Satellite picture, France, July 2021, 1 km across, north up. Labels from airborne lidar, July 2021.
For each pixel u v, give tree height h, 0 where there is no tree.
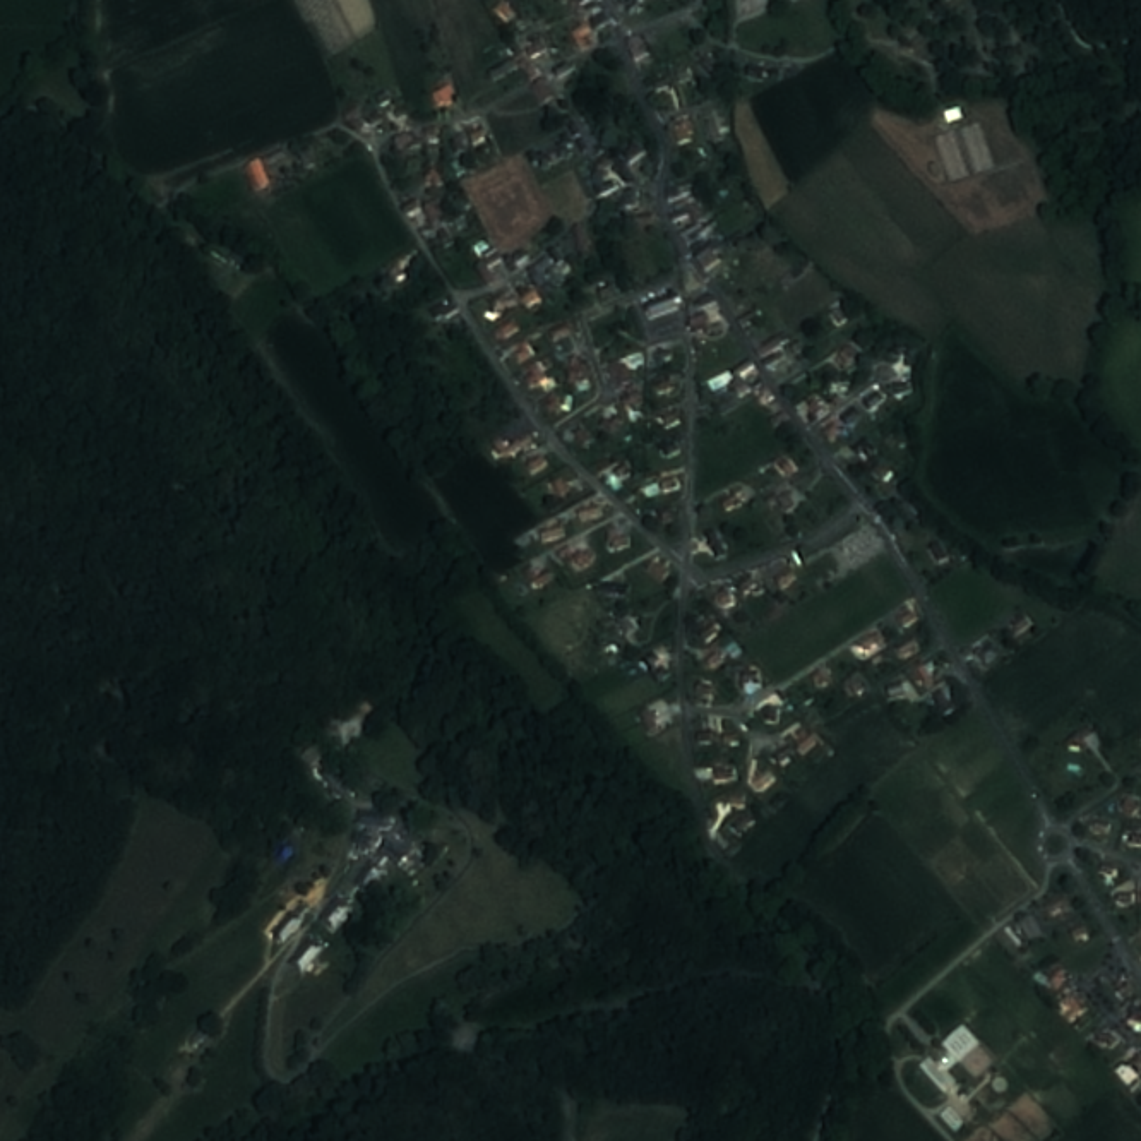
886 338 10
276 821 19
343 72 0
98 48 0
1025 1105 0
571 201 0
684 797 10
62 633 16
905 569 0
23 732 17
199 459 23
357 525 28
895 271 0
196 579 20
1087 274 0
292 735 19
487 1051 19
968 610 0
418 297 6
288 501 28
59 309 25
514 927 0
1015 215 0
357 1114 12
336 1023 0
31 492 23
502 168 0
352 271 0
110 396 17
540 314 5
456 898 0
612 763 20
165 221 23
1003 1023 0
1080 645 0
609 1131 0
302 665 25
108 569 17
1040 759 0
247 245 19
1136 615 15
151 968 12
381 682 22
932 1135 0
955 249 0
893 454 0
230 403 34
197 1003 0
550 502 13
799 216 0
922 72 14
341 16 0
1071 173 11
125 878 0
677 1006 24
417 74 0
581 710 14
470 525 0
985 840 0
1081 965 0
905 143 0
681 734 0
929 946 6
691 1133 9
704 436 0
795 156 0
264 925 0
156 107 0
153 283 24
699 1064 21
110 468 13
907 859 0
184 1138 0
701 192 13
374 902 16
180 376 22
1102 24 17
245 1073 0
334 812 14
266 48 0
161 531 19
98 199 33
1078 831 11
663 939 21
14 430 23
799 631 0
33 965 18
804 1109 18
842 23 20
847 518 0
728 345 0
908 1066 0
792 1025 16
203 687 20
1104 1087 0
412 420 23
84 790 22
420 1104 23
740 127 0
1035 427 0
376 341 22
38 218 22
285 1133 31
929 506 12
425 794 16
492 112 0
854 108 0
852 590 0
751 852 0
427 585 20
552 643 0
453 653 30
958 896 0
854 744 0
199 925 0
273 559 30
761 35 0
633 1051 29
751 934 9
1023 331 0
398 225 0
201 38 0
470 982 21
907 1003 0
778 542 0
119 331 19
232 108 0
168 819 0
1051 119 27
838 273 0
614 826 37
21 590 18
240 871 14
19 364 26
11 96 6
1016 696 0
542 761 36
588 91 13
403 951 0
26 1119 0
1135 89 15
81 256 21
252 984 0
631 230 15
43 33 0
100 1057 6
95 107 25
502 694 26
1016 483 0
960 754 0
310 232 0
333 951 0
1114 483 0
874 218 0
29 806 22
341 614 26
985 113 0
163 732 24
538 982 21
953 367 0
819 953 15
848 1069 24
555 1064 27
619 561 0
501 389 11
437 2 0
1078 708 0
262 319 0
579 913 14
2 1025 0
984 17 12
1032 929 0
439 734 7
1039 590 14
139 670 21
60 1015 0
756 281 0
